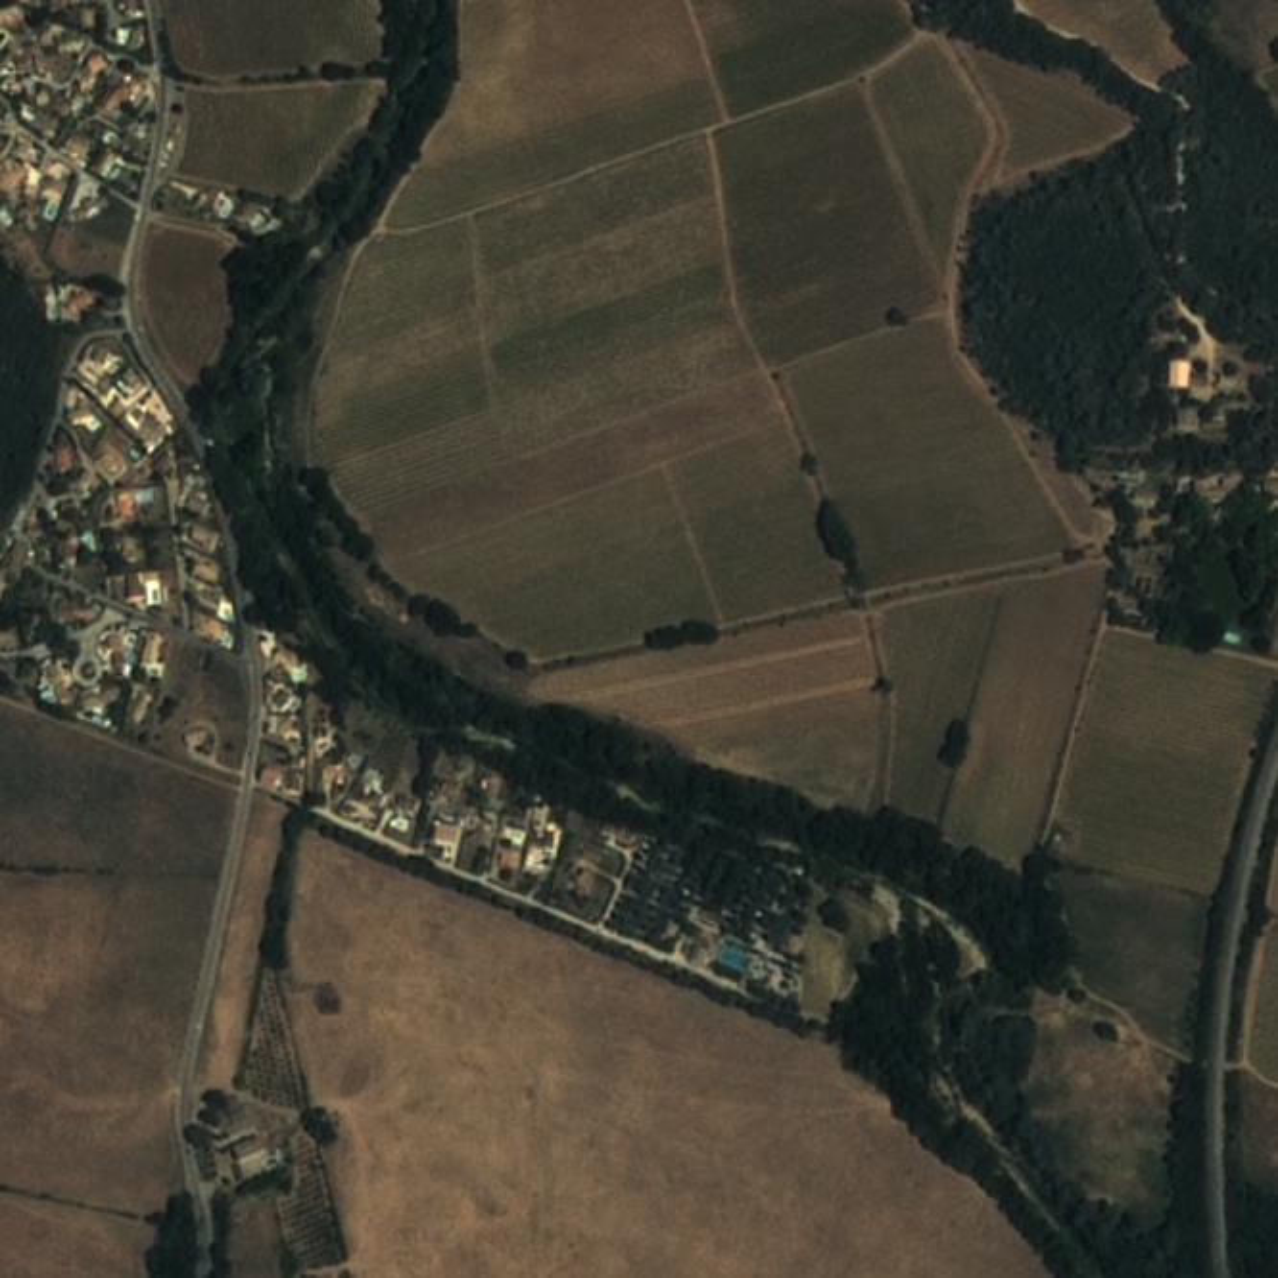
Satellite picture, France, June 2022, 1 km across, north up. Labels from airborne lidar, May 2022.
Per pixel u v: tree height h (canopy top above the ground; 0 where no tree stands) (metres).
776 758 0
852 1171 0
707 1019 0
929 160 0
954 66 0
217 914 0
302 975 0
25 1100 0
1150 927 0
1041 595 0
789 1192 0
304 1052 0
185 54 0
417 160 15
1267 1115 0
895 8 0
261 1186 10
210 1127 13
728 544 0
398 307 0
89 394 8
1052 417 10
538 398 0
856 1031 20
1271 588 16
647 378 0
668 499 0
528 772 16
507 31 0
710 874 16
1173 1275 16
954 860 8
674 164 0
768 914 16
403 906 0
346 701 14
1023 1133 28
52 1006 0
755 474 0
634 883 13
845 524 19
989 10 11
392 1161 0
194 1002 0
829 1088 0
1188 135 16
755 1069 0
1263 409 7
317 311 0
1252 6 0
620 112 0
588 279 0
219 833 0
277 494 9
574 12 0
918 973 9
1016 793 0
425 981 0
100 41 6
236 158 0
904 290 0
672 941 7
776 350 0
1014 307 10
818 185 0
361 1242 0
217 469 16
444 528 0
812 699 0
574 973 0
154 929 0
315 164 0
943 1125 28
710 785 17
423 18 6
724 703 0
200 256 0
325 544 15
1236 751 0
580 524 0
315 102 0
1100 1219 14
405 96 17
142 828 0
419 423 0
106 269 0
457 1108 0
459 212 0
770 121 0
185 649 0
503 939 0
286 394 9
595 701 0
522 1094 0
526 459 0
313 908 0
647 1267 0
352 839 14
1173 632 23
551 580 0
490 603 0
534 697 0
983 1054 13
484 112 0
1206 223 8
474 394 0
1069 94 0
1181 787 0
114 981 0
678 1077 0
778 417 0
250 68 0
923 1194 0
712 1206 0
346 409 0
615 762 17
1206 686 0
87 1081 0
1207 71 9
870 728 0
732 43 0
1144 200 9
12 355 6
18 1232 0
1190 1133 12
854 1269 0
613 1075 0
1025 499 0
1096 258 8
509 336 0
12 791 0
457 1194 0
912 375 0
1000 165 0
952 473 0
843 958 0
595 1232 0
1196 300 13
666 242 0
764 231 0
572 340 0
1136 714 0
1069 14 0
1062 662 0
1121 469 5
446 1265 0
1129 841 0
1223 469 21
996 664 0
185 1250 23
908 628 0
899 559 0
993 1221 0
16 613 8
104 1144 0
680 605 0
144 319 0
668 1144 0
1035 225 7
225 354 12
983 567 0
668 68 0
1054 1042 0
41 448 15
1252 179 7
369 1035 0
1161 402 12
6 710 0
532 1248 0
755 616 0
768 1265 0
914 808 0
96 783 0
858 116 0
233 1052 0
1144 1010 0
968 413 0
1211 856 0
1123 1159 0
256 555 15
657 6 0
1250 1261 21
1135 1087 0
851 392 0
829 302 0
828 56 0
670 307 0
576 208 0
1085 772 0
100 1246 0
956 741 14
